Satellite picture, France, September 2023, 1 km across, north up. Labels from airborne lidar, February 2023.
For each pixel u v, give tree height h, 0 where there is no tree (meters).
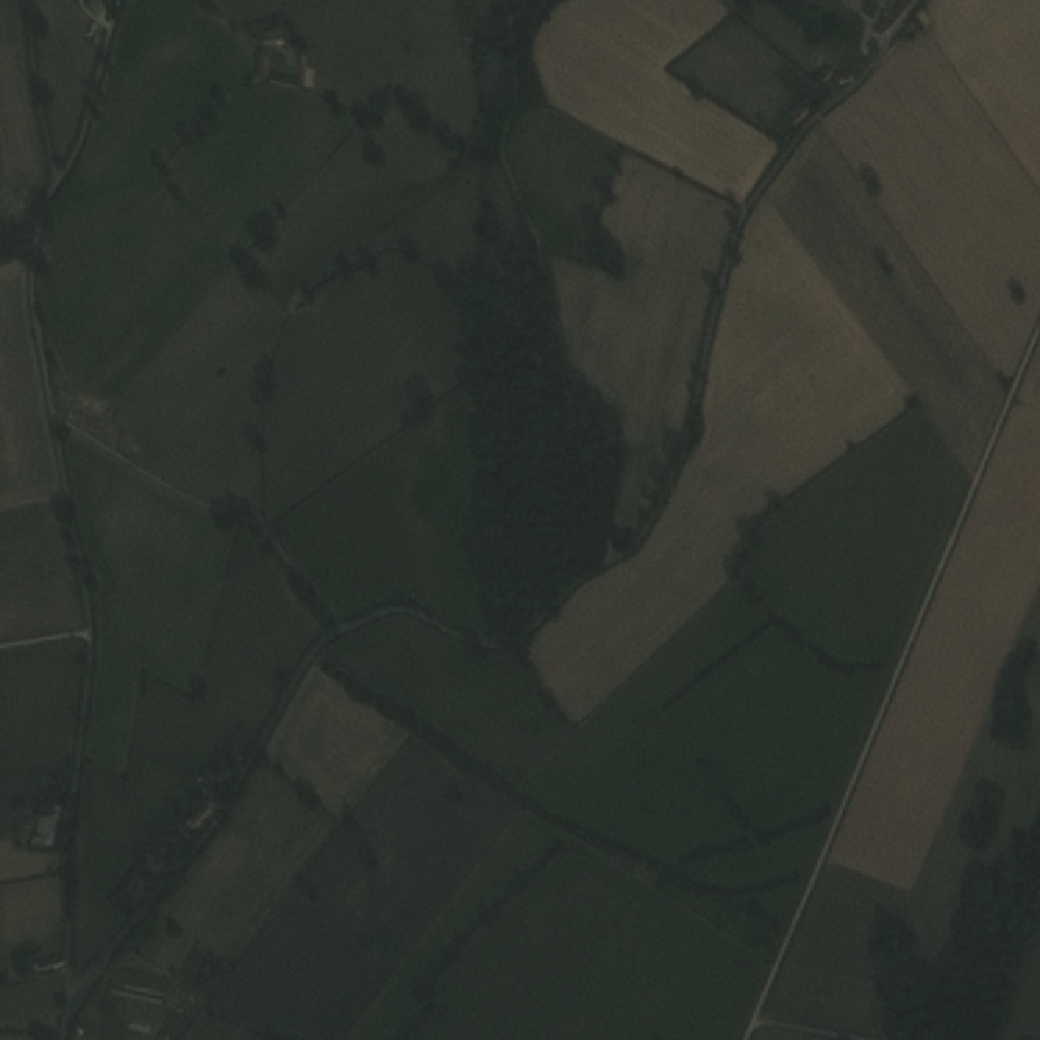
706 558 0
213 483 0
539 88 0
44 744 0
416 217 0
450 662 0
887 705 0
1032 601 0
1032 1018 0
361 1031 0
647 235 0
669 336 0
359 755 0
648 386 0
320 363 0
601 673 0
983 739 0
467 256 0
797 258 0
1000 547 0
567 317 0
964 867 0
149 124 0
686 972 0
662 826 0
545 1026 0
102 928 0
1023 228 0
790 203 0
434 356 0
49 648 0
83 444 0
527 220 0
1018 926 22
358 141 0
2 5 0
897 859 0
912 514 0
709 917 0
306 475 0
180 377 0
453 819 0
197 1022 0
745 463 0
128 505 0
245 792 0
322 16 0
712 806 0
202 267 0
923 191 0
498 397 15
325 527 0
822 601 0
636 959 0
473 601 0
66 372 0
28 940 0
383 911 0
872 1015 0
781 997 0
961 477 0
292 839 0
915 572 0
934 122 0
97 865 0
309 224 0
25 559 0
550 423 21
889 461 0
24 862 0
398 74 0
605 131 0
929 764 0
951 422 0
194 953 8
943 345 0
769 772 0
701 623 0
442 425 0
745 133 0
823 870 0
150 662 0
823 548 0
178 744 0
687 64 0
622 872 0
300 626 0
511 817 0
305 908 0
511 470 15
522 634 15
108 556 0
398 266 0
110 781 0
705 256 0
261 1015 0
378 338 0
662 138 0
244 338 0
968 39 0
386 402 0
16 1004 0
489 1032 0
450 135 18
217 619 0
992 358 0
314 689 0
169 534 0
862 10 0
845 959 0
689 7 0
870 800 0
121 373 0
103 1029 0
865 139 0
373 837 0
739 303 0
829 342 0
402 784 0
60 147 0
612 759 0
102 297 0
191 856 14
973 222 0
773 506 14
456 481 0
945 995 24
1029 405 0
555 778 0
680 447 18
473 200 0
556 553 19
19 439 0
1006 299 0
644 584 0
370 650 0
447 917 0
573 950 0
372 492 0
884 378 0
